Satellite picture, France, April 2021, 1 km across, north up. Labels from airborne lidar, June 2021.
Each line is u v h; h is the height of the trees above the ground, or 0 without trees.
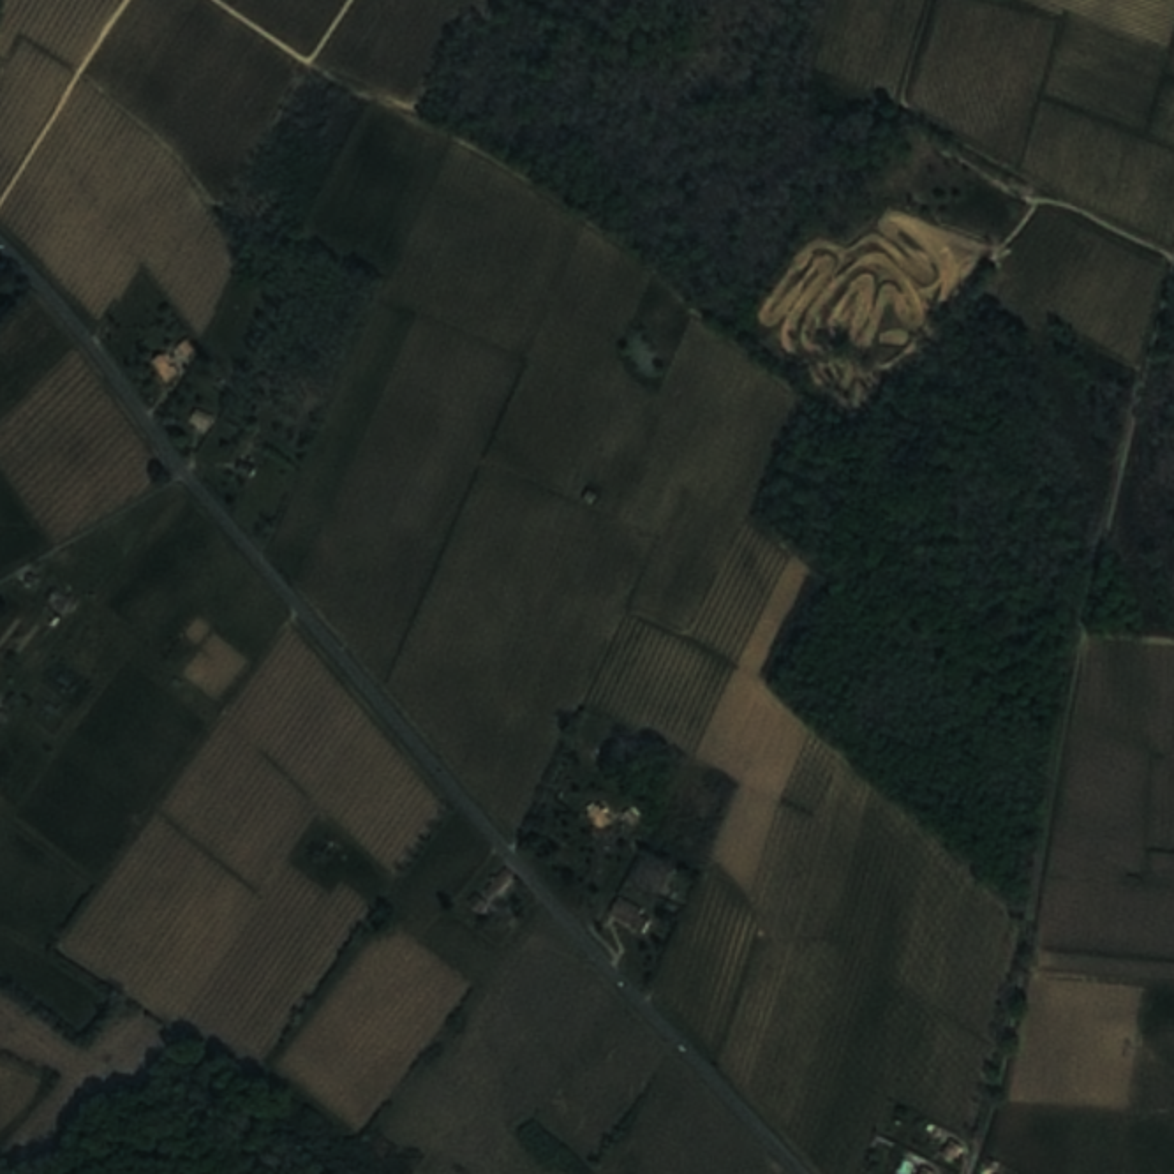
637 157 16
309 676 0
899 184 0
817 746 0
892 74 0
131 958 0
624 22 20
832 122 13
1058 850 0
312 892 0
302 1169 23
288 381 17
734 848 0
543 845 7
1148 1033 0
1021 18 0
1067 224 0
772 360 13
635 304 0
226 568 0
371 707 0
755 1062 0
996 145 0
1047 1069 0
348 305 14
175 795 0
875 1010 0
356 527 0
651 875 11
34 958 0
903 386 19
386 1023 0
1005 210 0
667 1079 0
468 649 0
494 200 0
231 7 0
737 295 18
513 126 19
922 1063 0
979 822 14
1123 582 19
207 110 0
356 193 0
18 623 0
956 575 23
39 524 0
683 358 0
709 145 20
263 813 0
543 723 0
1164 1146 0
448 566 0
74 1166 21
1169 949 0
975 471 20
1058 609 17
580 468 0
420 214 0
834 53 0
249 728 0
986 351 20
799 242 16
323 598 0
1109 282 0
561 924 0
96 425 0
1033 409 17
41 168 0
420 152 0
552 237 0
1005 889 16
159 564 0
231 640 0
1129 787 0
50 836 0
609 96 11
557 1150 10
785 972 0
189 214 0
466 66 23
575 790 8
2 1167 10
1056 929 0
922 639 18
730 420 0
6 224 0
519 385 0
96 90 0
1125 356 0
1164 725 0
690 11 21
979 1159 0
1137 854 0
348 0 0
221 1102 22
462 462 0
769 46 15
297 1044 0
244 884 0
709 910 0
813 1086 0
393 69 0
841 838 0
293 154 6
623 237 14
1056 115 0
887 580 19
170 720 0
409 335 0
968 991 0
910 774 18
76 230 0
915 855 0
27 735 0
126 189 0
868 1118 0
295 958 0
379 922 7
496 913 12
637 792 25
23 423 0
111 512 0
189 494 0
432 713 0
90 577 0
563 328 0
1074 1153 0
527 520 0
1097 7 0
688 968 0
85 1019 0
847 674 19
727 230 14
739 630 0
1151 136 0
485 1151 0
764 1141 0
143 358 9
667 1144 0
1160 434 12
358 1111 0
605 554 0
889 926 0
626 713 0
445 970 0
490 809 0
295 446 9
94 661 0
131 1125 25
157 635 0
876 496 21
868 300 0
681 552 0
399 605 0
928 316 0
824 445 22
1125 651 0
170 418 8
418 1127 0
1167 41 0
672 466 0
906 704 20
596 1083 0
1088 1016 0
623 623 0
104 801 0
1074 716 0
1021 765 16
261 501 0
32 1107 0
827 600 14
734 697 0
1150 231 0
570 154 22
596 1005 0
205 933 0
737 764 0
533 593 0
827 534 18
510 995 0
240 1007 0
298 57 0
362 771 0
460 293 0
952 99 0
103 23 0
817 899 0
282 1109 22
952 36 0
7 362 0
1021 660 20
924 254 0
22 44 0
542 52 13
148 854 0
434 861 0
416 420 0
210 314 0
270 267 20
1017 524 20
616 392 0
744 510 0
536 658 0
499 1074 0
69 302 0
